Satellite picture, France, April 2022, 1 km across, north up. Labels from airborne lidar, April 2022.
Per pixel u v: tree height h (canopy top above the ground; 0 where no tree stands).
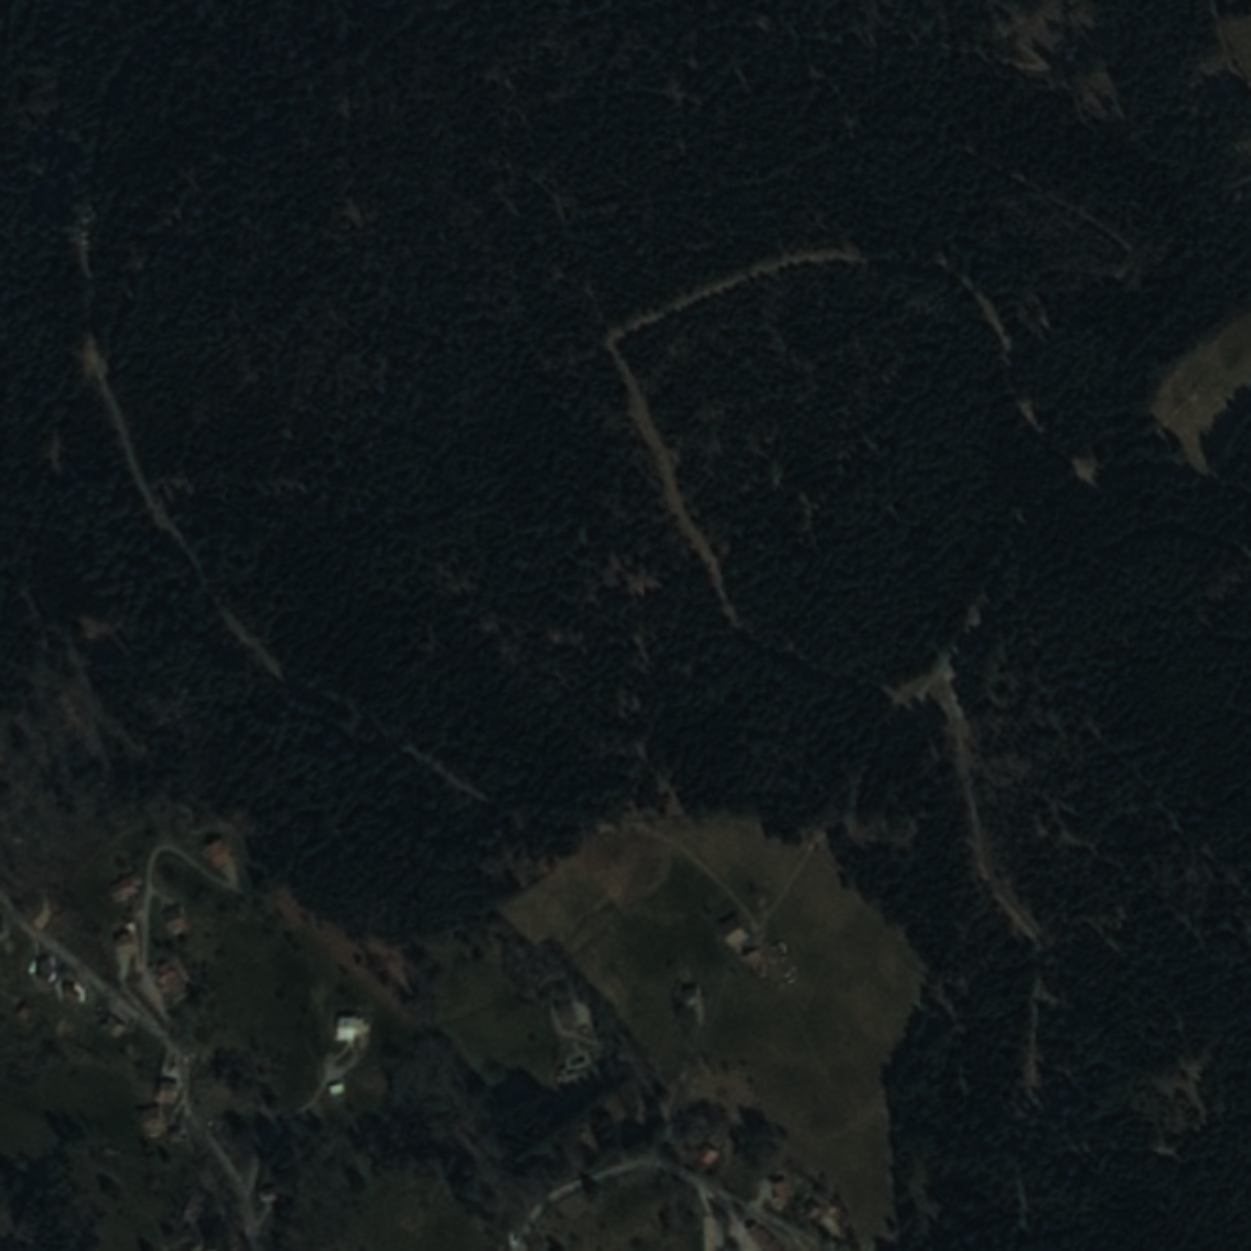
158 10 26
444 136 10
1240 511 20
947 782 11
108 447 13
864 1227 0
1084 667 10
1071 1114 27
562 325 10
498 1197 15
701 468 10
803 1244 0
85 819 6
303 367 11
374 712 17
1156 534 21
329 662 11
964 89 11
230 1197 8
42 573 16
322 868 31
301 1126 15
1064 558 21
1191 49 31
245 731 27
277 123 8
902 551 22
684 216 10
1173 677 12
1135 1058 8
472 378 20
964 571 23
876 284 10
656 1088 14
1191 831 19
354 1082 0
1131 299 13
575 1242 7
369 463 19
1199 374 0
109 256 18
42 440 17
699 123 9
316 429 11
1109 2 30
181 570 28
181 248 16
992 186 13
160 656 31
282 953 0
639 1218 0
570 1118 31
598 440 14
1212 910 14
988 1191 14
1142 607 15
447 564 15
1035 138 13
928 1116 16
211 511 15
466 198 13
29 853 8
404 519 11
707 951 0
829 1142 0
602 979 0
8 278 26
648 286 9
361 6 15
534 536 9
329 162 10
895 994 0
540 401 14
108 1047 0
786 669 25
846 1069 0
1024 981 12
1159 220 12
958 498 23
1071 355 25
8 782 9
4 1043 0
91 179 22
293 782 28
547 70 8
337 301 11
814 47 16
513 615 18
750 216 7
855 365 7
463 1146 0
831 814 18
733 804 18
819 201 7
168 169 19
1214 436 0
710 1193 0
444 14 20
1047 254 10
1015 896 11
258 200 13
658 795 9
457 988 0
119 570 22
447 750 7
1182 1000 7
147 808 13
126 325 18
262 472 10
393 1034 0
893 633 19
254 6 18
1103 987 10
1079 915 11
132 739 7
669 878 0
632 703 7
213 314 11
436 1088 19
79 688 17
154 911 0
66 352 17
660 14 8
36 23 21
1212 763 13
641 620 15
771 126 6
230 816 15
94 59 25
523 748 18
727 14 14
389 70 16
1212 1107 14
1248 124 25
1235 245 18
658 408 12
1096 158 10
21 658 20
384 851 24
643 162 11
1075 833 13
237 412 10
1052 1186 8
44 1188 27
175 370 12
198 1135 0
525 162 11
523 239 13
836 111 16
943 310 16
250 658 10
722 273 8
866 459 8
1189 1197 20
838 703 27
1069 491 20
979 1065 10
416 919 26
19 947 0
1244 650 14
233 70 19
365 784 27
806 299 9
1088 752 11
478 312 17
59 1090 0
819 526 11
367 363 15
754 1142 18
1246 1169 19
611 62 11
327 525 8
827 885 0
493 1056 0
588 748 9
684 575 11
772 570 15
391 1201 0
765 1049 0
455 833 10
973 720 16
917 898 13
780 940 0
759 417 9
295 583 8
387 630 18
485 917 23
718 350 7
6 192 25
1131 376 32
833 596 23
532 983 17
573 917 0
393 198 12
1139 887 16
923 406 19
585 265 9
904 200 16
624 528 9
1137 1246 22
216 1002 0
